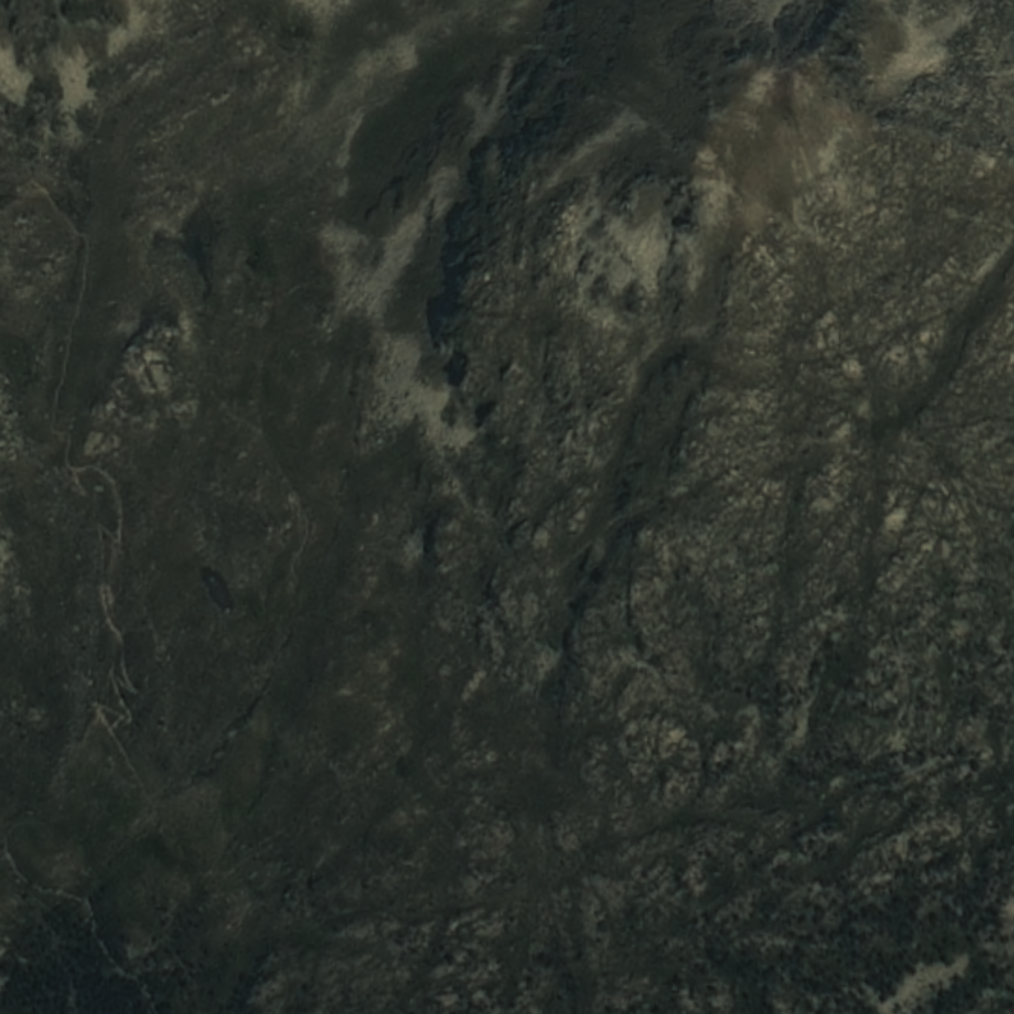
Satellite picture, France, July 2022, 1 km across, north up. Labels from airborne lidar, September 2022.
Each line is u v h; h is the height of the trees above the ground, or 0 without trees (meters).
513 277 0
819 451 0
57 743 0
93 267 0
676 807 0
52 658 0
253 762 0
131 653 0
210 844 0
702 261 0
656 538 0
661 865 0
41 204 0
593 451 0
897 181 0
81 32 0
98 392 0
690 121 0
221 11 0
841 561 0
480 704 0
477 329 0
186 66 0
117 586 0
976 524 0
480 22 0
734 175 0
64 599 0
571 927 0
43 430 0
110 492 0
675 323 0
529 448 0
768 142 0
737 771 0
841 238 0
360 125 0
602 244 0
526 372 0
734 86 0
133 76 0
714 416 0
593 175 0
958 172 0
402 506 0
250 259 0
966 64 0
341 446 0
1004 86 0
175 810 0
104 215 0
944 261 0
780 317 0
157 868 0
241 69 0
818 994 12
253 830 0
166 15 0
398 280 0
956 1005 8
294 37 0
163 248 0
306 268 0
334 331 0
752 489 0
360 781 0
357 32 0
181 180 0
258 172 0
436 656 0
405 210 0
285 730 0
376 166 0
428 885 0
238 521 0
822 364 0
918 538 0
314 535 0
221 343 0
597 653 0
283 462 0
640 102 0
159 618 0
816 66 0
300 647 0
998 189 0
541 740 0
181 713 0
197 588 0
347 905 0
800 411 0
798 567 0
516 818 0
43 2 0
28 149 0
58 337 0
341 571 0
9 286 0
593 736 0
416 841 0
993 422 0
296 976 0
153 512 0
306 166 0
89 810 0
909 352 0
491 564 0
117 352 0
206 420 0
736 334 0
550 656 0
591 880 0
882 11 0
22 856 0
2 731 0
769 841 0
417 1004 0
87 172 0
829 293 0
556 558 0
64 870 0
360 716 0
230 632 0
